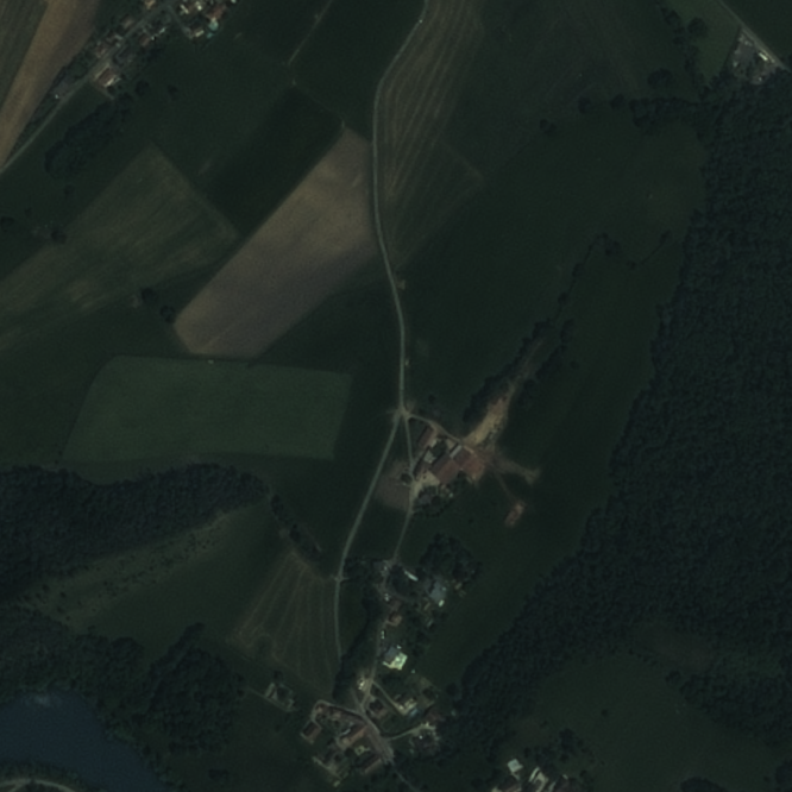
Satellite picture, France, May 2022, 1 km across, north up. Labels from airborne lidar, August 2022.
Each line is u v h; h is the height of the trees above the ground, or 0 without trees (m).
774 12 0
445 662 0
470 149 0
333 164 0
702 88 7
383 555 0
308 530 0
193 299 0
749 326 27
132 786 0
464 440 0
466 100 0
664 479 32
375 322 0
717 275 20
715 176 19
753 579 29
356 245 0
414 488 0
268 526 0
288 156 0
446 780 0
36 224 0
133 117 14
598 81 0
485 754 22
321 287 0
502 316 0
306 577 0
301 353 0
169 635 0
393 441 0
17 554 22
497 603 0
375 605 21
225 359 0
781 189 21
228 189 0
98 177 0
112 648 14
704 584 25
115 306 0
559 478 0
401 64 0
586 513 0
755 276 27
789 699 26
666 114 21
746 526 28
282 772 0
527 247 0
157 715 28
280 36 0
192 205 0
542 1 0
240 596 0
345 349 0
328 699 0
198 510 16
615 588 17
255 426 0
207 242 0
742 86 6
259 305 0
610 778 0
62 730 0
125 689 23
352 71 0
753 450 17
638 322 0
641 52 0
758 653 8
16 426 0
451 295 0
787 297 26
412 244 0
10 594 26
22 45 0
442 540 13
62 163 21
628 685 0
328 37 0
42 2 0
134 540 16
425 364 0
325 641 0
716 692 21
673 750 0
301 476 0
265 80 0
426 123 0
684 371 29
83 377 0
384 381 0
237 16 0
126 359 0
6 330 0
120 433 0
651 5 0
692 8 0
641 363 0
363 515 0
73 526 23
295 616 0
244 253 0
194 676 27
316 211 0
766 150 27
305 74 0
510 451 0
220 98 0
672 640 0
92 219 0
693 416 20
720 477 30
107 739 11
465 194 0
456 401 0
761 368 25
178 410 0
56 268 0
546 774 23
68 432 0
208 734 23
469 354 0
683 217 0
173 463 0
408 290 0
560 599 31
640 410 17
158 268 0
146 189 0
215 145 0
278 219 0
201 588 0
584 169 0
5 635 19
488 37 0
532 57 0
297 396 0
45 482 22
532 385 14
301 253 0
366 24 0
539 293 0
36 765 8
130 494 21
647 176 0
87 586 0
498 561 0
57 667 19
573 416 0
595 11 0
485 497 0
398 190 0
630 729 0
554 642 10
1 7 0
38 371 0
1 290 0
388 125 0
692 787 17
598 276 0
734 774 0
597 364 0
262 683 0
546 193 0
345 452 0
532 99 0
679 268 0
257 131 0
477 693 23
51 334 0
